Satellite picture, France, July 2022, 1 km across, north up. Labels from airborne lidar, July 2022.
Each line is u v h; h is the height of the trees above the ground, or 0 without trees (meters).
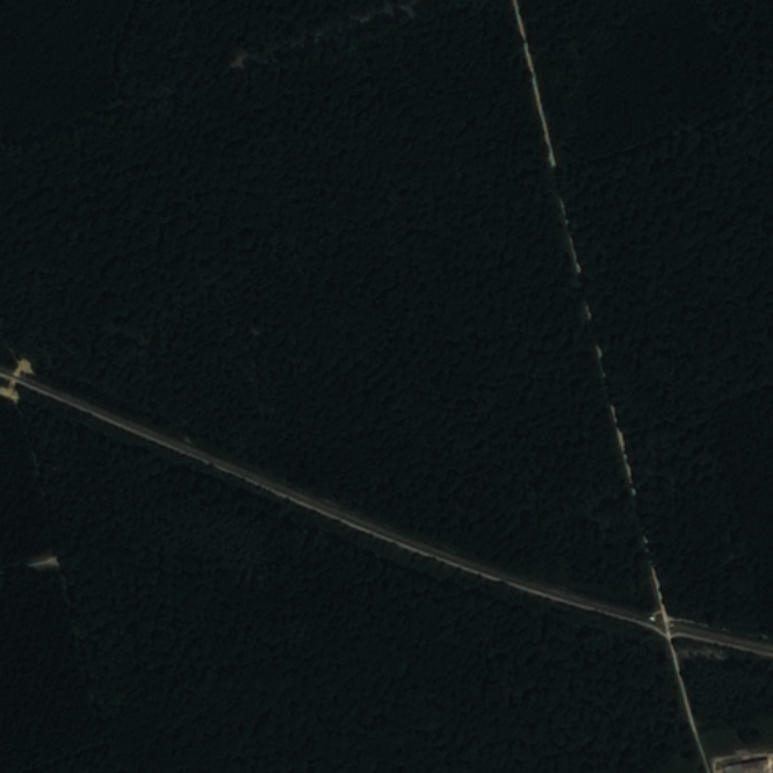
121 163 26
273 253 22
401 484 27
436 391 20
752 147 22
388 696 21
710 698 16
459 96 26
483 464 25
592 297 23
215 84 25
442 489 24
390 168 26
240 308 20
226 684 26
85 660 22
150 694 23
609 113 9
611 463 22
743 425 14
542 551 23
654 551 17
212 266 24
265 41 20
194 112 26
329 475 22
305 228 24
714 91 7
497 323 25
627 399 23
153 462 24
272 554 25
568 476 24
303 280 22
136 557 21
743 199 17
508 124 23
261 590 28
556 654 26
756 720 16
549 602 7
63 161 23
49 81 8
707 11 6
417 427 20
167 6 23
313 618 28
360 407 26
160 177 23
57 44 12
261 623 29
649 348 22
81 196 19
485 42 24
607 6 18
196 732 26
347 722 22
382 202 26
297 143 25
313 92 21
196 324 23
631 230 20
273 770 25
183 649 19
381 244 27
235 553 21
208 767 27
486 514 27
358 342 25
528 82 24
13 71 10
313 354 22
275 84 24
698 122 10
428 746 27
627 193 24
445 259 27
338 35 22
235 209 29
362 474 24
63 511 19
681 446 23
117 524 19
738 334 25
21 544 15
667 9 11
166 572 26
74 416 9
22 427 14
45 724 22
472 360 25
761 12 8
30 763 21
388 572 19
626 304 21
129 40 23
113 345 24
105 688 24
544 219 22
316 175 27
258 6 24
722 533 23
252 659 26
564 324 21
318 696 24
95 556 24
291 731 27
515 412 26
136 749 25
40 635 22
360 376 28
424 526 27
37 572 18
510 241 28
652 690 22
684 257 24
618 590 20
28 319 27
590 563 23
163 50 19
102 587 22
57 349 21
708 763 0
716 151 20
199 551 25
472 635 21
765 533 12
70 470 22
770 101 11
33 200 28
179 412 23
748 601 20
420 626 21
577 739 22
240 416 26
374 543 9
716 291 22
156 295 26
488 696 25
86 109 8
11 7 11
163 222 14
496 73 23
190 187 17
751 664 14
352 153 26
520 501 22
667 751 23
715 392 22
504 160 24
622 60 6
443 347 28
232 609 26
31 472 14
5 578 9
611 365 22
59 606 21
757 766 0
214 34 20
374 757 26
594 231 19
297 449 23
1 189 26
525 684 20
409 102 19
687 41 10
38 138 22
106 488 21
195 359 22
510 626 14
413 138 24
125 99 22
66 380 10
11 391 0
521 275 24
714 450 19
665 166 23
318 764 27
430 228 21
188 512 20
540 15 17
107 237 26
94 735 22
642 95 9
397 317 23
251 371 22
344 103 25
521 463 23
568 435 23
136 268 24
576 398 19
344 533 10
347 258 28
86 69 10
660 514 16
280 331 22
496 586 6
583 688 20
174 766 28
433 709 25
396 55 23
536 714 22
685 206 26
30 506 16
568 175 11
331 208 28
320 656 24
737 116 11
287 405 21
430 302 29
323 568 26
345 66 19
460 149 26
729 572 28
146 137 24
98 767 21
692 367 16
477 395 23
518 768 27
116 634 28
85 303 28
